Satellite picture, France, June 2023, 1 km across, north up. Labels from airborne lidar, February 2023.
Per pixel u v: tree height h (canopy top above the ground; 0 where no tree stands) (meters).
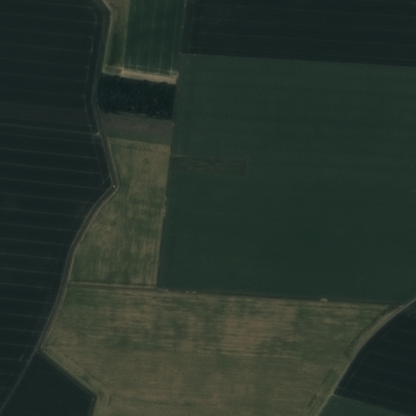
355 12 0
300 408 0
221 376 0
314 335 0
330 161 0
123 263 0
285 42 0
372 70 0
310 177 0
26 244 0
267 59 0
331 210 0
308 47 0
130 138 0
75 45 0
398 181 0
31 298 0
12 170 0
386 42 0
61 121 0
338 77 0
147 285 0
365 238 0
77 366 0
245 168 0
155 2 0
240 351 0
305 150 0
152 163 0
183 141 0
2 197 0
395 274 0
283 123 0
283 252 0
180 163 0
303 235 0
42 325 0
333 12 0
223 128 0
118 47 0
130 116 0
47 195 0
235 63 0
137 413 0
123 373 0
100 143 0
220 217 0
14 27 0
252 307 0
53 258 0
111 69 0
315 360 0
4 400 0
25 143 0
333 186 0
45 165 0
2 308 0
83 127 0
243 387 0
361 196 0
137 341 0
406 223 0
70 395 0
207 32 0
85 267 0
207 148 0
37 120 0
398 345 0
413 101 0
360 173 0
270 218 0
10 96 0
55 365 0
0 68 0
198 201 0
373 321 0
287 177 0
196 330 0
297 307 0
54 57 0
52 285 0
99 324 0
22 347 0
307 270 0
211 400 0
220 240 0
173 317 0
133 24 0
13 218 0
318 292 0
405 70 0
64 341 0
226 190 0
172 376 0
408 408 0
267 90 0
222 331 0
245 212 0
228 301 0
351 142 0
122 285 0
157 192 0
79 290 0
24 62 0
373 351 0
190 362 0
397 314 0
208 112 0
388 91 0
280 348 0
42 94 0
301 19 0
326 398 0
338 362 0
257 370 0
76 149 0
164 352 0
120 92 13
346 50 0
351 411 0
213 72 0
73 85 0
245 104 0
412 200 0
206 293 0
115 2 0
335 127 0
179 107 0
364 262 0
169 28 0
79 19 0
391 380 0
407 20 0
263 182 0
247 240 0
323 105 0
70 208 0
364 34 0
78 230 0
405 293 0
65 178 0
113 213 0
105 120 0
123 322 0
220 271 0
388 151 0
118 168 0
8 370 0
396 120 0
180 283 0
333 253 0
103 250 0
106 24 0
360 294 0
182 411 0
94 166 0
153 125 0
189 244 0
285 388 0
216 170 0
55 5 0
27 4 0
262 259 0
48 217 0
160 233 0
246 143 0
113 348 0
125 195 0
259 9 0
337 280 0
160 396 0
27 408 0
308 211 0
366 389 0
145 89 13
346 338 0
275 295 0
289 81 0
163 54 0
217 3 0
